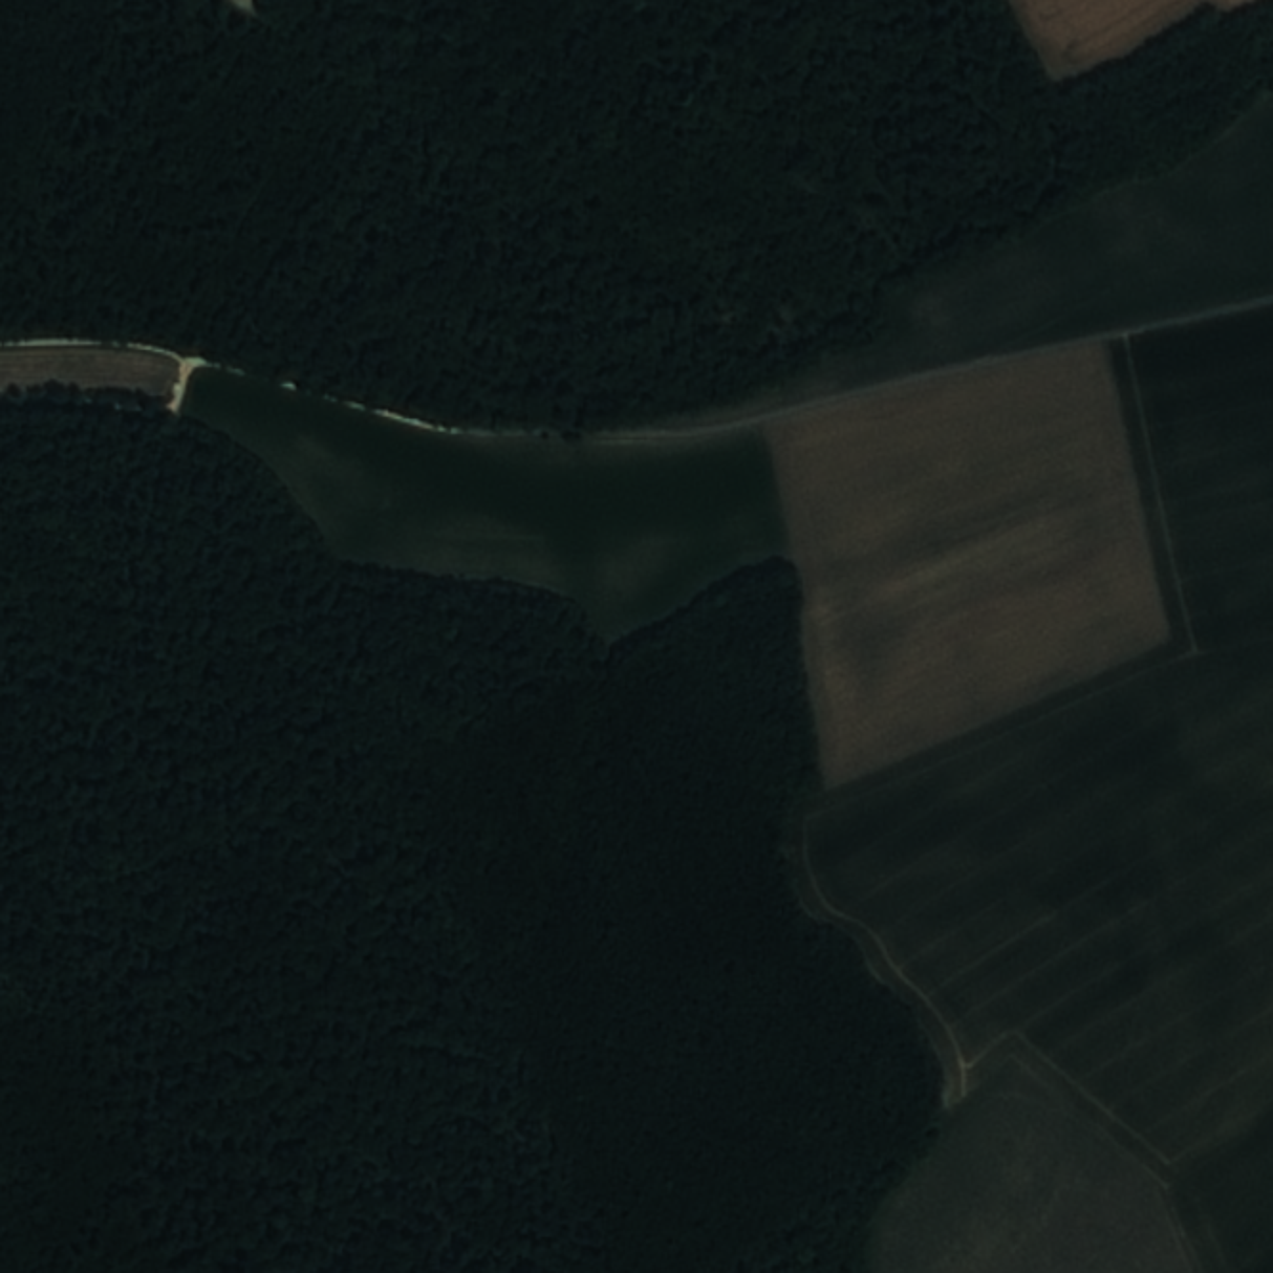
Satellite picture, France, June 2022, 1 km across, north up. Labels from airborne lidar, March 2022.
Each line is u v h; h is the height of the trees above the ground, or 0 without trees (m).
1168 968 0
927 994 0
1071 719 0
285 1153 22
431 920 26
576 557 0
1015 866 0
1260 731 0
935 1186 0
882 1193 14
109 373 0
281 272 16
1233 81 19
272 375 17
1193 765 0
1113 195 0
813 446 0
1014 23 13
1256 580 0
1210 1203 0
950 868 0
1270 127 0
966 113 17
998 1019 0
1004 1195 0
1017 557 0
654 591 0
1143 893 0
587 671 22
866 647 0
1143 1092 0
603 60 20
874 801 0
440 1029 23
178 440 20
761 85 20
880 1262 0
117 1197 22
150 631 21
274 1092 29
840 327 15
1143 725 0
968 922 0
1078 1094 0
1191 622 0
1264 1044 0
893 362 0
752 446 0
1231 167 0
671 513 0
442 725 22
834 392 0
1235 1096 0
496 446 0
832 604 0
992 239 12
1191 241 0
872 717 0
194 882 25
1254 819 0
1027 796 0
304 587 26
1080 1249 0
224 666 22
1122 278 0
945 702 0
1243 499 0
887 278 13
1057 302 0
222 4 22
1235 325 0
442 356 14
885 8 15
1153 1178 0
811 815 0
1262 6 9
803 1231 17
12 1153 11
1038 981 0
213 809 24
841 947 11
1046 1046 0
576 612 9
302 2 19
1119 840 0
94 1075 23
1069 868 0
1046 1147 0
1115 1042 0
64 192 17
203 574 21
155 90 16
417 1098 26
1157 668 0
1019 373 0
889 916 0
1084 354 0
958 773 0
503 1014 21
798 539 0
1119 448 0
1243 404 0
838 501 0
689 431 0
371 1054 25
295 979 25
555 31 20
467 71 26
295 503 9
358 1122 24
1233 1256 0
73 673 24
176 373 0
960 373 0
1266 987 0
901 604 0
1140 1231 0
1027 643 0
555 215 20
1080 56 0
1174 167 11
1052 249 0
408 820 22
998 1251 0
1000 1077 0
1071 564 0
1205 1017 0
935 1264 0
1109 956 0
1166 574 0
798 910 13
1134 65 14
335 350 20
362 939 25
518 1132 0
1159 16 0
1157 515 0
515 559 0
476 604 23
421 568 0
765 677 8
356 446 0
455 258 22
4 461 18
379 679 23
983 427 0
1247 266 0
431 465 0
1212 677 0
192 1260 24
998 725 0
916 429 0
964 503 0
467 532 0
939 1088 14
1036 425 0
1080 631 0
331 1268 28
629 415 16
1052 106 19
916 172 21
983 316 0
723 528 0
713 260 0
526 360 18
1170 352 0
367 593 20
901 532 0
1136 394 0
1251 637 0
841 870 0
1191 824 0
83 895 23
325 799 21
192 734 22
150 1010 23
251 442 0
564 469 0
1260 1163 0
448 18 23
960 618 0
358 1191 27
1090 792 0
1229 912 0
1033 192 21
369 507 0
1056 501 0
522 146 23
